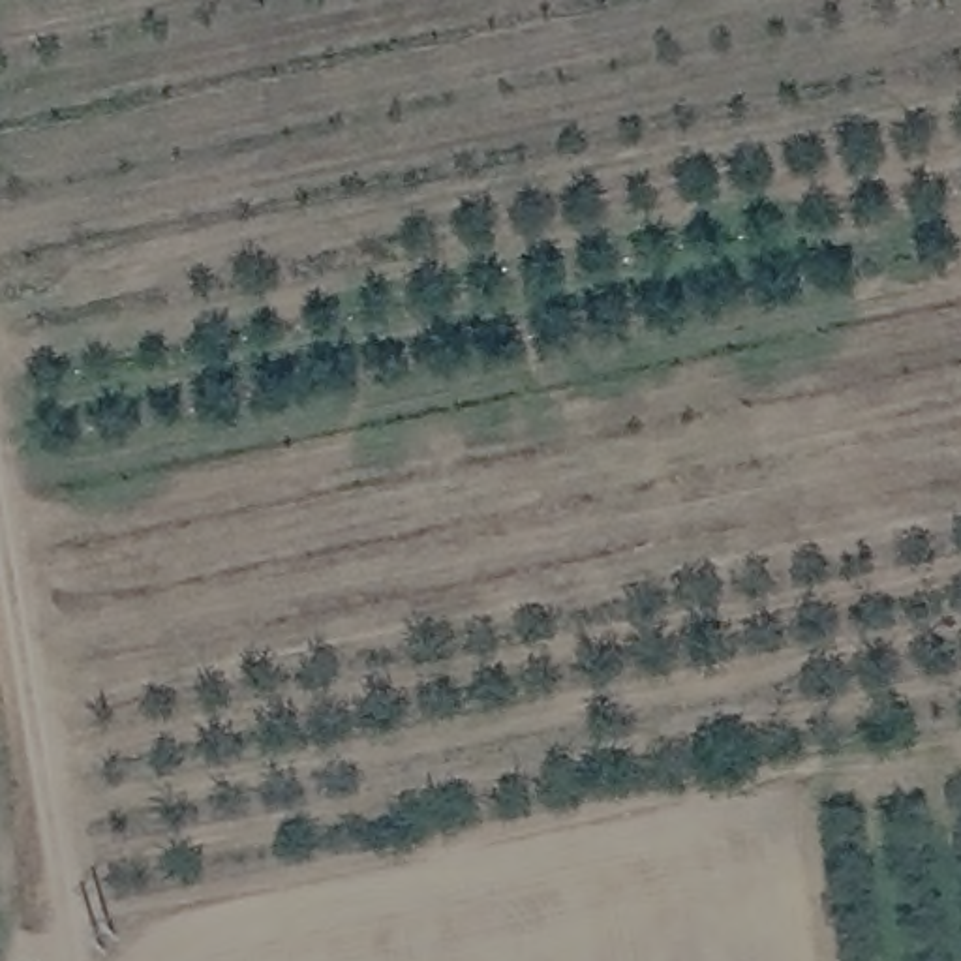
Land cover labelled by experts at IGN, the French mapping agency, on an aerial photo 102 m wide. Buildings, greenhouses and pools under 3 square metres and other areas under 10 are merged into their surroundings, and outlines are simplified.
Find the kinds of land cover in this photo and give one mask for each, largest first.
<instances>
[{"label":"herbaceous vegetation","instance_id":"1","mask_svg":"<svg viewBox=\"0 0 961 961\"><path fill-rule=\"evenodd\" d=\"M912 109L931 113L935 124L923 154L897 150V120H905ZM852 116L878 124L882 161H863L848 173L837 128ZM792 135H818L826 165L796 176L785 161V139ZM747 143L766 146L773 173L770 184H732L728 154ZM691 154H709L717 173V191L698 195L694 203L679 195L672 176V165ZM916 169L946 180V225L953 233L957 255L946 263L942 274L920 263L912 210L905 195V184ZM582 173L597 176L601 184L604 229L619 263L582 270L574 225L563 214H552L544 229L548 240L559 248L563 293H586L623 278H676L683 270L717 267L728 259L736 263L740 278H751L755 255L796 244H848L856 285L848 293H826L807 274H800V293L792 304H736L725 308L717 319H691L676 334H664L649 327L642 315H631L627 338L619 342L574 338V345L563 353H537L522 274L526 244L511 221V203L526 188L563 191ZM863 180L886 184L890 203L878 210L875 221L852 218V191ZM811 191L833 195L837 225L800 221V199ZM473 195L492 199V236L465 244L454 221L439 225V267L499 259L503 282L492 297H481L473 289L454 293L450 315H511L514 334L522 342L518 360L488 357L481 368L465 364L454 375L424 372L420 379H402L387 387L375 383L372 368H357L353 390H330L282 413L252 409L259 357H285L315 342L417 338L424 330L417 312L360 319V285L368 278L379 274L394 282L413 274L409 255H360V240L375 233H394L413 214H454ZM236 252H267L270 259H278V285L263 293H244L240 278L233 274ZM0 330H34L45 349L68 357L60 405H86L101 394H131L139 405V424L131 428V435L120 447L105 443L98 424L90 420L79 428L68 450H41L23 424L34 413V383L26 372L0 387V390L15 420L8 428V439L19 447L23 488L38 499L75 507L68 522L53 526L45 544L26 548V559L34 593L45 597L38 604L34 638L49 664L68 668L56 691H68V698L75 702L60 725L68 732V743H90V755L101 762L90 766L79 777V788L68 796V818L79 830H90L94 852L90 867L79 875V901L94 938L90 961H113L150 923L173 920L210 905L345 878H357L368 897L398 893L405 886L465 893L469 886H481V860L492 845L533 841L556 830H593L646 818L657 815L672 796L694 818V830H725L732 845V863L762 856L773 841H781L792 852L800 848V856L811 867L822 863L818 803L837 792H852L863 803L867 852L882 845L878 800L908 788H920L927 796L938 845H953L957 815L946 800V777L961 770V668L923 676L912 661V638H961V608L950 601L931 616L908 619L905 612H893L890 627H856L852 604L871 593L912 597L923 589H942L953 574H961V0H0ZM203 368H236L233 424L199 420L195 375ZM908 529H927L935 552L931 563L905 567L897 559V537H905ZM800 548H818L826 556V582L792 578V556ZM751 556H762L770 567L773 589L762 597L740 593V571ZM702 563H713L721 578V623L728 631H743L751 616L777 612L781 649L747 653L702 668H676L668 676L623 668L616 679L586 683V676L574 664L578 646L589 638L619 642L631 634L627 586L657 582L661 574H676L683 567ZM803 601H830L837 631L800 642L796 608ZM522 604H544L552 612L556 634L522 642L514 627V612ZM484 616H492L496 623L492 653H465L428 664H364L368 649L398 646L413 627L428 619L454 627ZM875 642L893 649L897 694L912 706L916 717V743L886 755H875L860 736L856 721L871 713L863 687H848L837 698L800 694V668L807 661L856 657ZM315 646H334V683L308 691L300 683H282L267 691L248 687L244 657H267L278 668H300V661ZM529 657H552L559 679L556 691L537 702L447 721H428L420 706H405L398 728L368 732L364 740H338L300 751L244 747L233 762L195 758L180 762L169 773H158L150 766V747L161 736L199 740V732L210 725L244 732L282 706L315 709L319 702L364 698L368 683L379 679H387L398 691L432 683L439 676L469 683L477 668L503 664L511 672L529 664ZM146 687H169V691L176 694L173 717H146V713H143V691H146ZM604 694L634 713L631 732L604 736L586 725L589 702ZM713 717H740L747 725L788 721L803 743V755L796 762L758 766L732 792H634L616 800H586L571 811H533L522 818H503L492 803V788L503 773H541L544 755L552 747L567 751L578 762L589 751L638 755L653 751L664 736H694V728ZM342 762H353L360 770L357 792L327 796L315 770ZM278 770L297 773L304 800L282 807L263 803V781ZM447 781H465L473 788L477 826L469 830L428 837L409 852H315L300 863L274 856V833L285 818H379L402 792H420L428 785ZM173 845L203 848L199 882L180 886L165 875L161 856ZM120 860H139L146 867L143 893L120 897L109 886V867ZM45 863L23 725L19 709H4L0 687V950L15 931L34 935L49 923V901L38 890Z\"/></svg>","mask_w":961,"mask_h":961},{"label":"deciduous trees","instance_id":"2","mask_svg":"<svg viewBox=\"0 0 961 961\"><path fill-rule=\"evenodd\" d=\"M935 124L931 113L912 109L905 120H897V150L923 154ZM848 173L863 161H882L878 124L852 116L837 128ZM785 161L796 176L826 165L818 135H792L785 139ZM732 184H770L773 173L766 146L747 143L728 154ZM672 176L679 195L694 203L698 195L717 191V173L709 154H691L672 165ZM905 195L912 210L920 263L942 274L946 263L957 255L953 233L946 225V180L916 169L905 184ZM552 214H563L574 225L582 270L619 263L604 229L601 184L597 176L582 173L563 191L526 188L511 203V221L526 244L522 274L537 353H563L574 345V338L619 342L627 338L631 315H642L649 327L664 334H676L691 319H717L725 308L736 304H792L800 293V274H807L826 293H848L856 285L848 244H796L755 255L751 278H740L736 263L728 259L717 267L683 270L676 278H623L586 293H563L559 248L548 240L544 229ZM890 203L886 184L863 180L852 191V218L875 221L878 210ZM800 221L837 225L833 195L811 191L800 199ZM454 221L465 244L492 236V199L473 195L454 214H413L394 233H375L360 240V255H409L413 274L394 282L379 274L368 278L360 285V319L417 312L424 330L417 338L315 342L285 357H259L252 409L282 413L330 390H353L357 368H372L375 383L387 387L402 379H420L424 372L454 375L465 364L481 368L488 357L518 360L522 342L514 334L511 315H450L454 293L473 289L481 297H492L503 282L499 259L439 267V225ZM233 274L240 278L244 293H263L278 285V259H270L267 252H236ZM68 357L45 349L30 357L26 372L34 383V413L23 424L41 450H68L79 428L90 420L98 424L105 443L120 447L131 435V428L139 424V405L131 394H101L86 405H60ZM199 420L233 424L236 368H203L195 375ZM897 559L905 567L931 563L935 552L927 529H908L905 537H897ZM792 578L826 582V556L818 548H800L792 556ZM773 589L770 567L762 556H751L740 571V593L762 597ZM631 634L619 642L589 638L578 646L574 664L586 676V683L616 679L623 668L668 676L676 668H702L747 653L781 649L777 612L751 616L743 631H728L721 623V578L713 563H702L683 567L676 574H661L657 582L627 586ZM950 601L961 608V574H953L942 589H923L912 597L871 593L852 604L856 627H890L893 612H905L908 619L931 616ZM800 642L837 631L830 601H803L796 608ZM514 627L522 642L556 634L552 612L544 604H522L514 612ZM496 623L492 616H484L454 627L428 619L413 627L398 646L368 649L364 664H428L465 653H492ZM912 661L923 676L961 668V638H912ZM848 687H863L871 713L856 721L860 736L875 755H886L916 743V717L912 706L897 694L893 649L875 642L856 657L807 661L800 668V694L837 698ZM248 687L267 691L282 683H300L308 691L334 683V646H315L300 661V668H278L267 657H244ZM559 679L552 657H529V664L511 672L503 664L477 668L469 683L439 676L432 683L398 691L387 679H379L368 683L364 698L319 702L315 709L282 706L244 732L210 725L199 732V740L161 736L150 747V766L158 773H169L180 762L195 758L233 762L244 747L300 751L338 740H364L368 732L398 728L405 706H420L428 721H447L537 702L556 691ZM176 694L169 691V687H146V691H143V713H146V717H173ZM586 725L604 736L631 732L634 713L604 694L589 702ZM803 755V743L788 721L747 725L740 717H713L694 728V736H664L653 751L638 755L589 751L578 762L567 751L552 747L544 755L541 773H503L492 788V803L503 818H522L533 811H571L586 800H616L634 792H732L758 766L796 762ZM360 770L353 762H342L315 770L327 796L357 792ZM304 800L297 773L278 770L263 781V803L282 807ZM946 800L957 815L953 845H938L927 796L920 788H908L878 800L882 845L867 852L863 803L852 792H837L818 803L822 863V905L833 920L837 961H961V770L946 777ZM477 826L473 788L465 781H447L428 785L420 792H402L379 818H285L274 833V856L300 863L315 852H409L428 837L469 830ZM165 875L180 886L199 882L203 848L173 845L161 856ZM109 886L120 897L143 893L146 867L139 860H120L109 867Z\"/></svg>","mask_w":961,"mask_h":961},{"label":"agricultural land","instance_id":"3","mask_svg":"<svg viewBox=\"0 0 961 961\"><path fill-rule=\"evenodd\" d=\"M481 886H469L465 893L405 886L398 893L368 897L357 878H345L210 905L173 920L184 935L165 946V961H837L833 920L822 905V863L811 867L800 856V848L792 852L781 841H773L762 856L732 863V845L725 830H694V818L672 796L657 815L646 818L593 830H556L533 841L492 845L481 860Z\"/></svg>","mask_w":961,"mask_h":961},{"label":"pervious surface","instance_id":"4","mask_svg":"<svg viewBox=\"0 0 961 961\"><path fill-rule=\"evenodd\" d=\"M45 349L34 330H0V387L26 372L30 357ZM15 420L0 390V687L4 709H19L23 725L45 863L38 890L49 901V923L34 935L15 931L0 950V961H90L94 938L79 901V875L90 867L94 852L90 830H79L68 818V796L79 788V777L90 766L101 762L90 755V743H68V732L60 725L75 702L68 698V691H56L68 668L49 664L34 638L38 604L45 597L34 593L26 559V548L45 544L53 526L68 522L75 507L38 499L23 488L19 447L8 439V428ZM184 935L173 920L150 923L113 961H165V946Z\"/></svg>","mask_w":961,"mask_h":961}]
</instances>
